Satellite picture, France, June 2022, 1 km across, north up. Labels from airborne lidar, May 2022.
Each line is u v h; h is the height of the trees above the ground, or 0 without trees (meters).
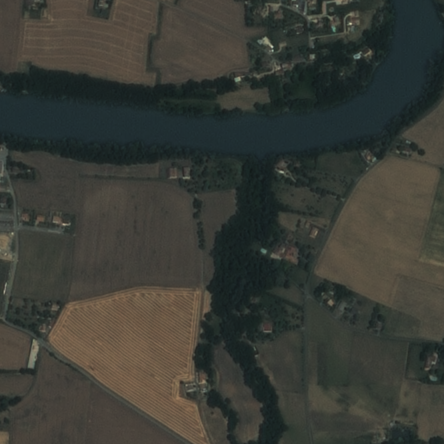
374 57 14
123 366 0
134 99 25
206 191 11
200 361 17
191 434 0
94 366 0
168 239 0
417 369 0
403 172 0
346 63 16
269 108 13
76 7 0
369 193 0
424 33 0
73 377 0
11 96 0
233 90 8
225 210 0
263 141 0
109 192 0
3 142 10
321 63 13
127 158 16
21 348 0
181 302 0
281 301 10
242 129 0
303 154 13
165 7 0
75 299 0
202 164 16
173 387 0
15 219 0
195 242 0
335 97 13
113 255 0
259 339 6
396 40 0
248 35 0
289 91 12
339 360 0
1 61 0
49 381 0
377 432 0
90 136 0
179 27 0
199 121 0
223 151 0
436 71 12
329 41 0
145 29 0
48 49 0
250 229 29
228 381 0
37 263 0
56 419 0
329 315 0
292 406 0
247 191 16
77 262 0
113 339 0
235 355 19
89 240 0
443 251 0
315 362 0
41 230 0
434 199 0
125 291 0
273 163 18
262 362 0
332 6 0
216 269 9
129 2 0
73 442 0
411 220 0
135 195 0
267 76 8
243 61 0
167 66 0
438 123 0
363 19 0
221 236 18
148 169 0
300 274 0
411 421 0
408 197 0
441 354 13
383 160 11
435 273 0
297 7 0
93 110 0
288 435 0
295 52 0
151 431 0
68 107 0
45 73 13
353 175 0
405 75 0
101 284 0
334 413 0
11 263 0
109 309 0
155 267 0
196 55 0
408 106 16
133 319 0
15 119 0
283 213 10
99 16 0
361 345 0
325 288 8
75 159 10
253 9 10
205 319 10
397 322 0
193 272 0
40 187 0
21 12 0
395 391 0
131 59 0
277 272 16
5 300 0
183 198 0
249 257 16
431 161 0
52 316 8
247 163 7
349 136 0
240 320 17
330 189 0
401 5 0
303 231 0
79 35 0
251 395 0
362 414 0
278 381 0
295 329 7
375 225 0
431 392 0
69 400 0
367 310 0
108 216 0
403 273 0
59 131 0
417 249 0
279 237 13
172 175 0
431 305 0
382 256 0
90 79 10
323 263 0
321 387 0
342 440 0
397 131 11
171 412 0
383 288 0
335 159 0
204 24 0
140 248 0
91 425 0
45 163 0
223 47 0
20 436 0
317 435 0
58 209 0
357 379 0
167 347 0
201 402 0
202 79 0
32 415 0
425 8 0
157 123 0
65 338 0
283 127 0
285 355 0
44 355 0
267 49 0
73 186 0
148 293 0
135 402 0
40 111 0
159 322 0
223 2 0
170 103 8
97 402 0
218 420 0
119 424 0
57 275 0
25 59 0
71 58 0
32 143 14
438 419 0
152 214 0
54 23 0
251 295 21
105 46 0
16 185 0
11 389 0
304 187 10
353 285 0
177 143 0
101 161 16
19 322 8
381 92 0
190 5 0
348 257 0
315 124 0
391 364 0
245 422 0
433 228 0
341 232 0
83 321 0
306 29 10
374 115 0
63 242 0
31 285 0
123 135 0
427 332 0
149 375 0
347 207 0
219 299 20
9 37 0
